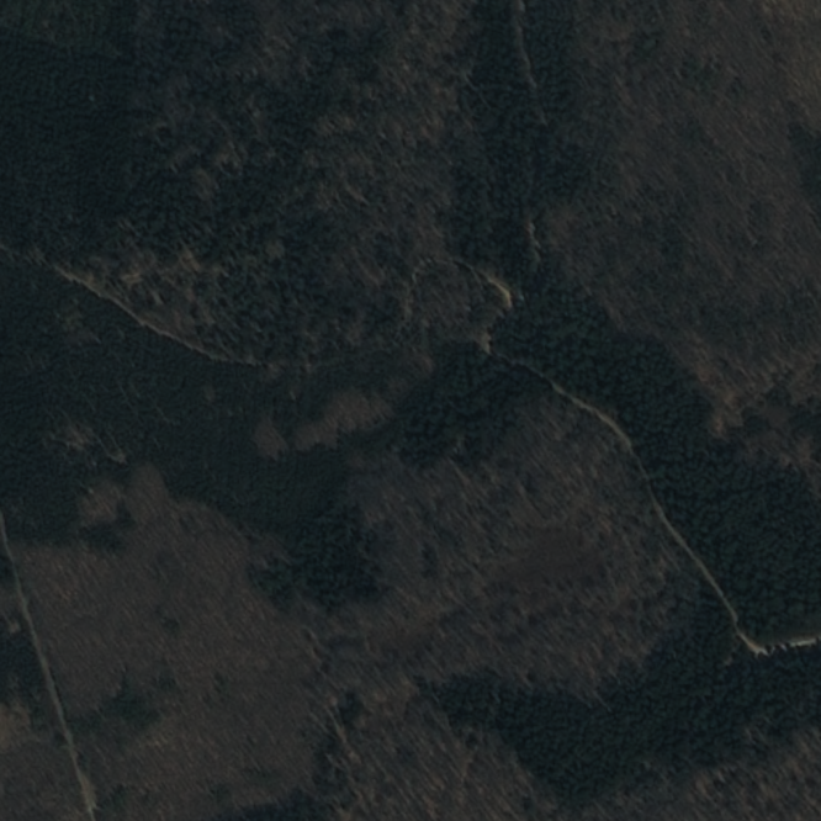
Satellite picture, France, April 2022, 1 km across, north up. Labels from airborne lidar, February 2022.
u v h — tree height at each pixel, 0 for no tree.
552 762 30
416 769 33
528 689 26
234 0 24
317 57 25
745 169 0
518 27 31
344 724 27
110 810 20
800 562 11
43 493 23
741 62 0
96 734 16
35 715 7
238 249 37
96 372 23
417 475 27
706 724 32
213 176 30
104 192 18
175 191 26
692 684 27
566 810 28
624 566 26
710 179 0
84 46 14
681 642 26
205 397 19
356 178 29
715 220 0
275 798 19
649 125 0
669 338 28
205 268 19
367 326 11
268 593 28
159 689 15
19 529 22
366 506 25
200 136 32
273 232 28
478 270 24
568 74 28
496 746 27
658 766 25
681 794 30
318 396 18
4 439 21
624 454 25
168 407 19
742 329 22
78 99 29
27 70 33
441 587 29
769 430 8
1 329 32
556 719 30
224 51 26
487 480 11
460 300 28
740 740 33
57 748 17
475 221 31
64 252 18
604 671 25
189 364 21
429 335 29
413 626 29
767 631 33
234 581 0
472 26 11
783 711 30
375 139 31
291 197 34
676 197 22
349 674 31
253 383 16
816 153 22
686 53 0
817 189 25
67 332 15
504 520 27
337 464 17
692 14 0
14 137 24
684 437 30
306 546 29
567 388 18
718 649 30
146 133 20
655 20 28
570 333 32
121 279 20
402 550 30
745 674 26
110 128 23
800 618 17
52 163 19
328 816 25
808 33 0
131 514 23
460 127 29
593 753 26
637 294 23
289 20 26
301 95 27
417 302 16
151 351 17
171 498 19
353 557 12
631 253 24
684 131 22
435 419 35
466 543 28
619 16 28
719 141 0
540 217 37
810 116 0
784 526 31
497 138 14
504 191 9
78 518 20
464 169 27
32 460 23
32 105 30
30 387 18
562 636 27
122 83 25
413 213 20
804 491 30
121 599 0
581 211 32
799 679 33
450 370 22
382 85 15
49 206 23
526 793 29
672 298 24
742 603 34
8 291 18
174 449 20
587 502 26
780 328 19
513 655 30
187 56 34
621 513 7
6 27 16
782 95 0
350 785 25
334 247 30
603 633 26
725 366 25
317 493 18
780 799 31
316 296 33
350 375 18
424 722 29
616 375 36
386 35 33
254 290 29
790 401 10
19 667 24
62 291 15
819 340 24
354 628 25
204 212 29
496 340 20
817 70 0
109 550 22
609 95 31
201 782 0
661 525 25
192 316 22
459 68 30
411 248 30
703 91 23
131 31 18
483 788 28
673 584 25
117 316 23
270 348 27
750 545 37
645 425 33
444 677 28
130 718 18
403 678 31
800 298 26
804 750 27
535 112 34
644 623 27
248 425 17
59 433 20
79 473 19
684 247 23
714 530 24
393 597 24
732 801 27
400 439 22
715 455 6
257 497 16
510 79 34
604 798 27
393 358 14
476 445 10
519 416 31
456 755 28
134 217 31
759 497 28
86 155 22
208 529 26
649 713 27
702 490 27
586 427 26
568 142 28
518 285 31
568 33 34
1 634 24
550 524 27
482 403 29
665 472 33
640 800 28
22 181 22
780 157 0
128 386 16
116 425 24
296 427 20
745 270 23
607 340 31
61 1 15
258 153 31
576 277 26
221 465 15
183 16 26
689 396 30
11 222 20
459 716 8
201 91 29
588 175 30
